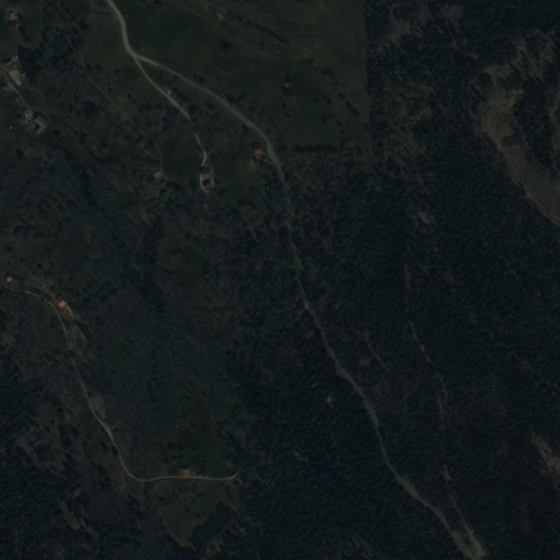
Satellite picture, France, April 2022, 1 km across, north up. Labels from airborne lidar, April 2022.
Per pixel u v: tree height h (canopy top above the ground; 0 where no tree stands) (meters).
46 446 8
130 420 21
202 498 6
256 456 20
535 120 16
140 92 0
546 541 22
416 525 27
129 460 0
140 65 0
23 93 0
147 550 11
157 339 23
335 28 0
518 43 0
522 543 31
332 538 24
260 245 12
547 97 24
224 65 0
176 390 21
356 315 27
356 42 0
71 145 0
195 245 16
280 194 24
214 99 0
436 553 26
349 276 20
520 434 21
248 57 0
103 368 24
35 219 19
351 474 27
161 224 21
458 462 26
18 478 29
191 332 20
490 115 0
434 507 19
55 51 16
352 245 22
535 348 26
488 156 31
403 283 24
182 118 7
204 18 0
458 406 23
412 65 17
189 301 15
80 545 25
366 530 32
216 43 0
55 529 33
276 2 0
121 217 21
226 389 21
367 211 25
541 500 23
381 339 23
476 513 23
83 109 10
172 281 19
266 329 24
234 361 21
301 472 30
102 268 19
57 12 19
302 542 24
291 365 20
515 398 25
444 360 23
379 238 24
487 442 27
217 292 19
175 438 19
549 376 29
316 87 0
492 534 31
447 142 26
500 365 28
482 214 25
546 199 0
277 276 15
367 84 0
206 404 0
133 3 0
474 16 28
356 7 0
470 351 26
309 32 0
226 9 0
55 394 13
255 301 26
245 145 0
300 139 0
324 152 17
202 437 0
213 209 24
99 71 14
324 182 20
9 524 32
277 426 40
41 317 0
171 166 0
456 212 31
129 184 0
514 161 0
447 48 37
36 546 32
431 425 25
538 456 19
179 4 0
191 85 0
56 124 15
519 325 29
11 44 0
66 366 7
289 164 10
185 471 0
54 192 19
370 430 34
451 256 27
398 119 13
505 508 23
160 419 24
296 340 21
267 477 25
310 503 29
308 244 13
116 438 20
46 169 8
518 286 27
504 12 22
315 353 28
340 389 28
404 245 28
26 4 0
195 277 0
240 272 21
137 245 16
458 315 12
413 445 24
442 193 30
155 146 20
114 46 0
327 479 30
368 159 0
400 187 26
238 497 0
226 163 0
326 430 27
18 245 0
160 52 0
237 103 12
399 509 29
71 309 9
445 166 27
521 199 34
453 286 24
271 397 29
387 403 24
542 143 25
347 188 23
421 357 24
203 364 23
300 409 29
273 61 0
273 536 30
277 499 25
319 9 0
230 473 0
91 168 21
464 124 31
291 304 27
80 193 21
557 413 23
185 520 0
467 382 23
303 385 28
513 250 29
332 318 24
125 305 20
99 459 0
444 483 24
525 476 21
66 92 18
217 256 15
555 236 35
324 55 0
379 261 18
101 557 31
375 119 18
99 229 18
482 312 26
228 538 0
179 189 16
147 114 19
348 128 0
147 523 20
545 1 24
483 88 18
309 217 23
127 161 0
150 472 0
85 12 0
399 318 26
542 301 31
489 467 26
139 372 22
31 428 24
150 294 33
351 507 28
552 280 25
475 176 28
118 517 19
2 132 0
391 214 24
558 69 20
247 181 0
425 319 26
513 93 29
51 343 0
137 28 0
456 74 30
